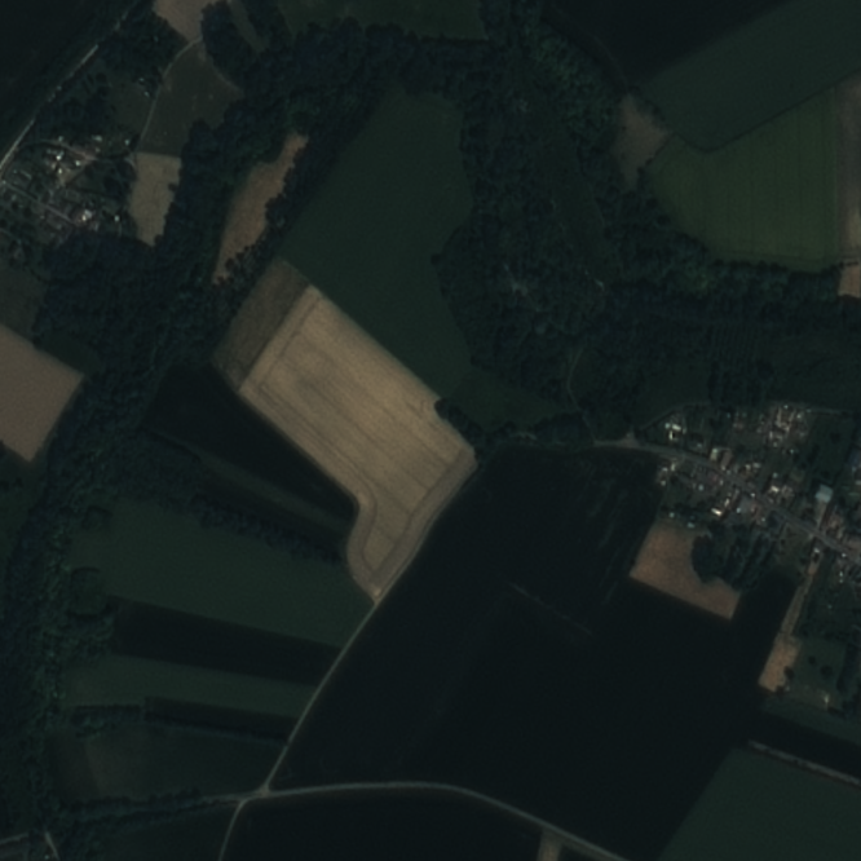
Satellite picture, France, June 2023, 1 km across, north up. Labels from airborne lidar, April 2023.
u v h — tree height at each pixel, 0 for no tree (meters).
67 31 0
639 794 0
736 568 12
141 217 0
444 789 0
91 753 0
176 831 0
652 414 0
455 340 0
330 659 0
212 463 0
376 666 0
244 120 25
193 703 0
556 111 16
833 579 0
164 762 0
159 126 0
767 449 6
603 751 0
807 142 0
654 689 0
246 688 0
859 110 0
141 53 20
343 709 0
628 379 9
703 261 12
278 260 0
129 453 22
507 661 0
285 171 0
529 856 0
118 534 0
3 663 31
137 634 0
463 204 0
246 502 0
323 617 0
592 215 0
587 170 21
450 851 0
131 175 16
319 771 0
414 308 0
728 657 0
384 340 0
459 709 0
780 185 0
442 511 0
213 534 0
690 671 0
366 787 0
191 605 0
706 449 0
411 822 0
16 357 0
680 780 0
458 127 0
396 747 0
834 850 0
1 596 0
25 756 6
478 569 0
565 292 16
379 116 0
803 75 0
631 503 0
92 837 17
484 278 10
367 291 0
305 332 0
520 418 0
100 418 27
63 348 0
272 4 19
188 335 20
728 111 0
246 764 0
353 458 0
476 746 0
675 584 0
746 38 0
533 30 14
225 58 32
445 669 0
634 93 12
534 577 0
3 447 12
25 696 20
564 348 22
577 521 0
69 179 0
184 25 0
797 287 19
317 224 0
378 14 0
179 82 0
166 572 0
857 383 0
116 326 30
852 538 0
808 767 0
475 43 7
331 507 0
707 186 0
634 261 21
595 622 0
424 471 0
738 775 0
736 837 0
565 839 0
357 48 22
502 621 0
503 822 0
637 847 0
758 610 0
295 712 0
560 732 0
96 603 7
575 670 0
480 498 0
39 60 0
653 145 0
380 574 0
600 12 0
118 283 27
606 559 0
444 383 0
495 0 25
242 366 0
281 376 0
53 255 20
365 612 0
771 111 0
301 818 0
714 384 15
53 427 0
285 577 0
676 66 0
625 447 0
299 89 22
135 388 19
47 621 22
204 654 0
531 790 0
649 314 25
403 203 0
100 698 0
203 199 34
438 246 0
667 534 0
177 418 0
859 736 0
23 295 0
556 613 0
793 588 0
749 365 25
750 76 0
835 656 0
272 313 0
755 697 0
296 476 0
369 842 0
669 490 0
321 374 0
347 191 0
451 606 0
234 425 0
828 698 0
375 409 0
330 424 0
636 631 0
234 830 0
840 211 0
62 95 8
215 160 30
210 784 0
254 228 0
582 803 0
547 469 0
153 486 23
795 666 0
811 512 7
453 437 0
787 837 0
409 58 32
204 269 9
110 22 13
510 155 24
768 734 0
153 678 0
